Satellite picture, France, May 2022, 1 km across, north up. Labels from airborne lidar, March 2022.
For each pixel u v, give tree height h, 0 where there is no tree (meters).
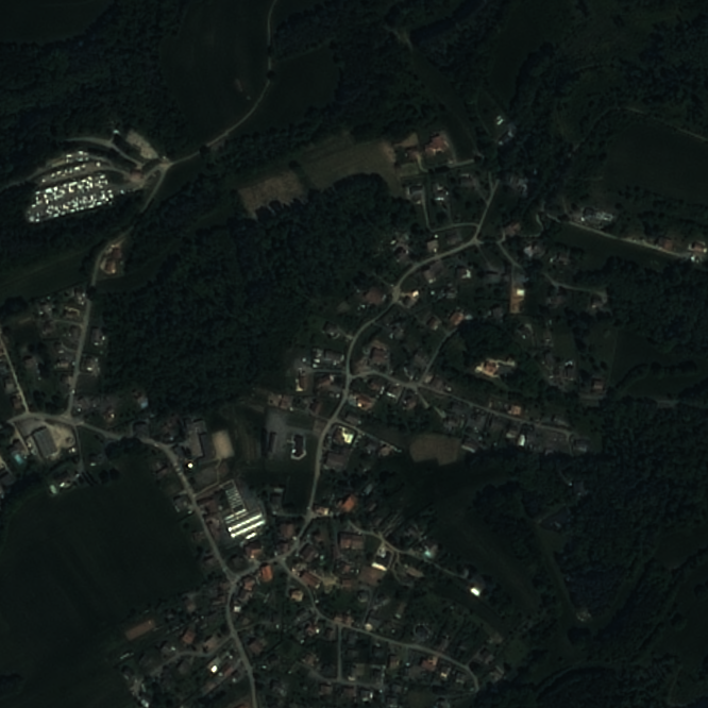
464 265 0
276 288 26
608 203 0
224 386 20
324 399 0
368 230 28
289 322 16
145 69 25
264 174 0
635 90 8
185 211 25
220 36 0
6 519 7
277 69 0
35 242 25
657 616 12
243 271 20
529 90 27
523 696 24
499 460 23
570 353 0
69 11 0
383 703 0
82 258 0
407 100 13
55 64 29
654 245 0
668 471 27
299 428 0
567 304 0
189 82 0
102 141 0
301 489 0
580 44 0
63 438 0
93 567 0
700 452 19
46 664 0
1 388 0
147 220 15
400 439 0
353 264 16
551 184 18
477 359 16
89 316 0
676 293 32
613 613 0
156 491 0
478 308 0
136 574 0
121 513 0
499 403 0
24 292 0
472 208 10
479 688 0
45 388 0
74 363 0
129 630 0
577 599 21
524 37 0
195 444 0
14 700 0
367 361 0
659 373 17
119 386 13
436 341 0
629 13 26
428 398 0
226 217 0
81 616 0
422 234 17
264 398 0
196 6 0
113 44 24
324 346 0
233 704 0
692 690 0
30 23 0
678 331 24
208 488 0
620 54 0
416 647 0
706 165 0
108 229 22
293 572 0
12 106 27
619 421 20
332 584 0
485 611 0
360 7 18
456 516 0
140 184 0
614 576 23
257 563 0
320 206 25
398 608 0
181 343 19
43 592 0
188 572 0
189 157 0
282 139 10
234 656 9
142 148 0
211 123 0
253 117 0
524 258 13
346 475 8
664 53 25
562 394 12
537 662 12
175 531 0
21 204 15
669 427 19
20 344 6
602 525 21
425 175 0
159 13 15
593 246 0
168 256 0
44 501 0
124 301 8
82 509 0
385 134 8
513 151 22
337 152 0
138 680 0
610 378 0
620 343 0
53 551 0
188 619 7
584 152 7
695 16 0
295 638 7
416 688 6
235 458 0
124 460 0
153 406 12
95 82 17
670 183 0
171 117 9
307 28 21
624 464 24
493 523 18
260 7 0
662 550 0
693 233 10
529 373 17
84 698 0
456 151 0
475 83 22
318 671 0
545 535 0
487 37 18
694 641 0
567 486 17
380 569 0
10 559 0
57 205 0
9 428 18
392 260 6
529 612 0
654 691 8
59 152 12
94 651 0
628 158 0
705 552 7
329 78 0
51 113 21
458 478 0
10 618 0
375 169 0
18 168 24
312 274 33
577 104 0
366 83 25
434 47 24
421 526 6
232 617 0
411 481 0
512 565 0
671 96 16
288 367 0
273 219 31
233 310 30
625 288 21
